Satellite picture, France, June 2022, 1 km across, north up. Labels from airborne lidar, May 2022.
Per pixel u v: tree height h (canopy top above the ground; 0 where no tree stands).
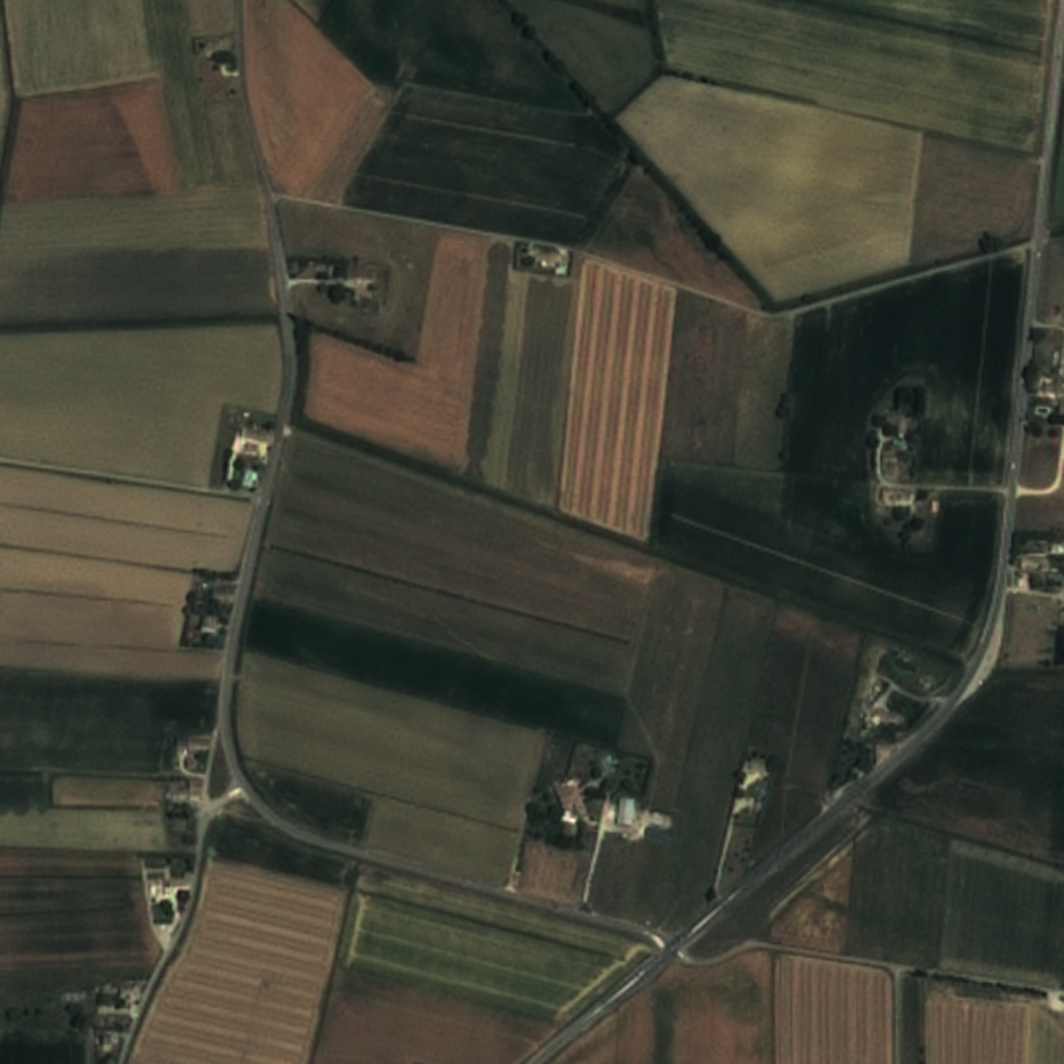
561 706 0
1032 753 0
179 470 0
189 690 0
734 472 0
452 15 0
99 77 0
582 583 0
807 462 0
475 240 0
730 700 0
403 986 0
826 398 0
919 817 0
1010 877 0
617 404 0
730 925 0
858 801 0
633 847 0
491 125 0
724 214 0
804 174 0
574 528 0
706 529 0
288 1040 0
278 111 0
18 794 0
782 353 0
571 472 0
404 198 0
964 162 0
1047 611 0
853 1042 0
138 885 0
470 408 0
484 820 0
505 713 0
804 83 0
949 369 0
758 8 0
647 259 0
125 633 0
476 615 0
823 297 0
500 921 0
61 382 0
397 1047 0
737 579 0
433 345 0
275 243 0
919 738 0
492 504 0
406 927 0
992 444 0
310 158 0
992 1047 0
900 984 0
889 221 0
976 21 0
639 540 0
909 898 0
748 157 0
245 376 0
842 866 0
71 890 0
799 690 0
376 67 0
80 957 0
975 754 0
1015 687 0
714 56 0
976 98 0
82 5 0
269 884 0
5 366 0
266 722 0
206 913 0
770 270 0
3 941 0
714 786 0
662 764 0
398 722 0
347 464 0
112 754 0
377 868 0
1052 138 0
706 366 0
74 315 0
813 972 0
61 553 0
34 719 0
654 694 0
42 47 0
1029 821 0
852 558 0
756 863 0
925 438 0
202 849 0
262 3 0
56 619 0
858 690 0
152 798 0
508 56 0
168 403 0
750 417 0
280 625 0
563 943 0
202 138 0
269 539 0
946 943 0
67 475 0
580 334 0
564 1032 0
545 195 0
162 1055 0
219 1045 0
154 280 0
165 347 0
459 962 0
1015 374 0
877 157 0
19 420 0
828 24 0
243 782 0
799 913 0
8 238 0
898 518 9
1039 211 0
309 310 0
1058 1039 0
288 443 0
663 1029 0
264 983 0
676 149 0
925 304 0
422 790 0
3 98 0
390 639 0
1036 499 0
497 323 0
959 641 0
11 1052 0
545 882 0
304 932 0
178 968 0
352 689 0
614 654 0
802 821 0
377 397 0
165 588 0
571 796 0
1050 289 0
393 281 0
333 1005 0
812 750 0
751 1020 0
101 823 0
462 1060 0
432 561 0
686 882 0
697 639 0
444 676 0
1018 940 0
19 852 0
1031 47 0
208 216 0
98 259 0
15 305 0
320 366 0
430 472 0
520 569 0
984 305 0
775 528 0
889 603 0
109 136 0
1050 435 8
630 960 0
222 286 0
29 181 0
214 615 12
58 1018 0
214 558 0
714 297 0
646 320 0
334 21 0
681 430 0
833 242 0
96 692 0
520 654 0
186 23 0
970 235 0
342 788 0
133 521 0
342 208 0
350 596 0
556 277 0
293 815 0
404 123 0
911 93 0
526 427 0
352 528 0
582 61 0
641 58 0
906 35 0
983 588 0
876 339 0
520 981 0
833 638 0
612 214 0
